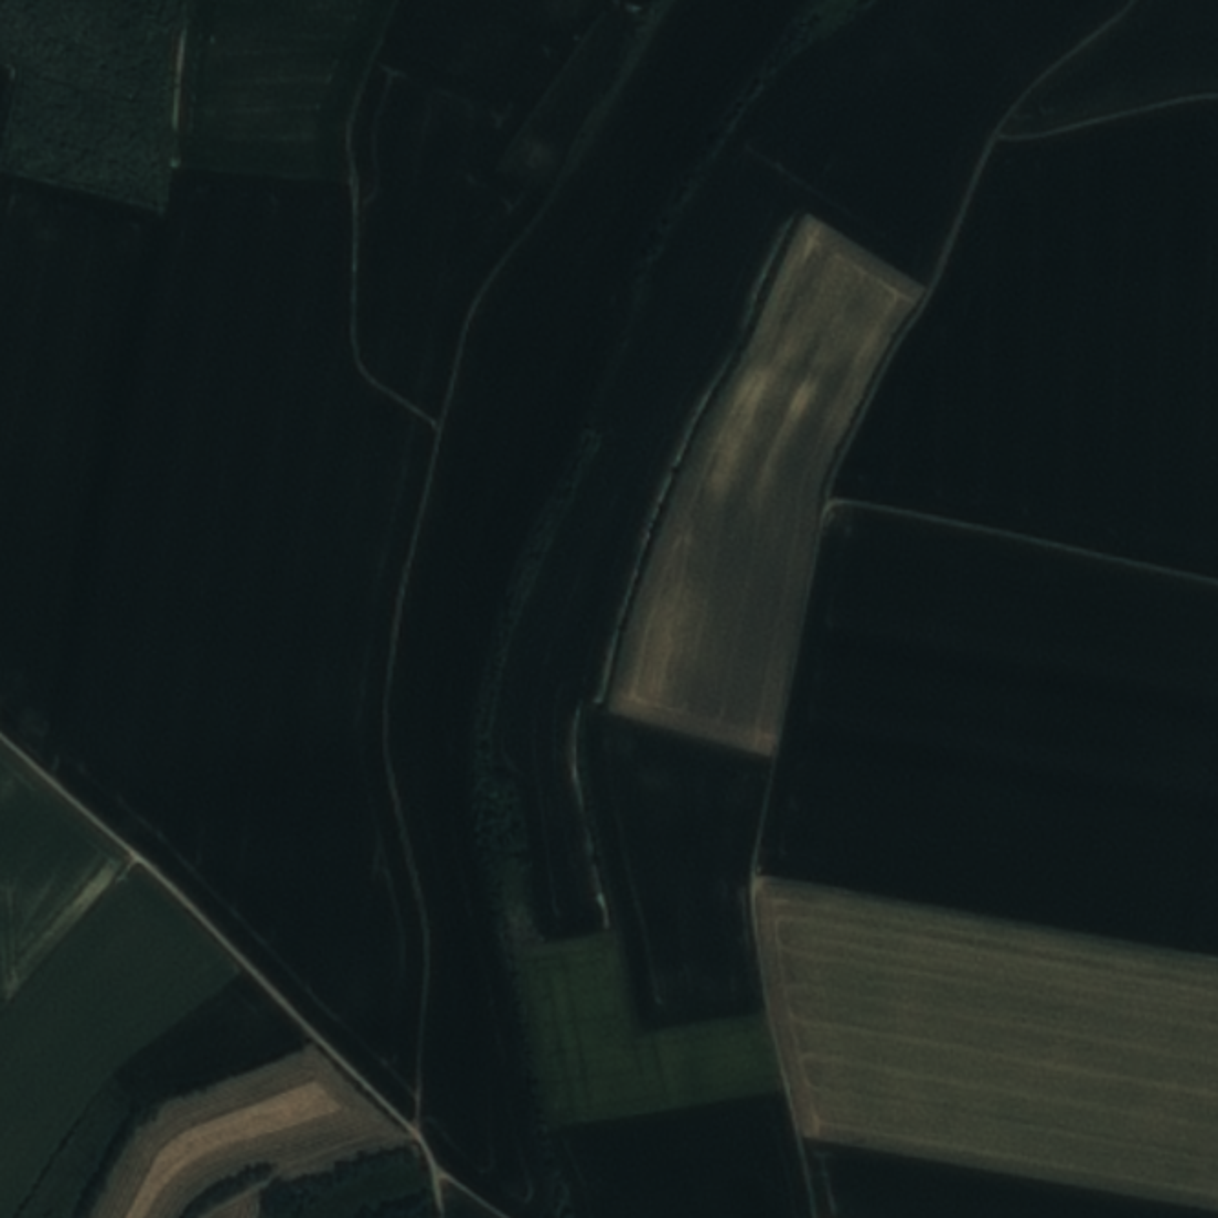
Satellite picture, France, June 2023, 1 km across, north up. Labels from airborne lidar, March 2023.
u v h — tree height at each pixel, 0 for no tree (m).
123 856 0
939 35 0
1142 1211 0
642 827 0
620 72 6
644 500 0
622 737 0
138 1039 0
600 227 0
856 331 0
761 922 0
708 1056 0
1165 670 0
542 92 0
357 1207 0
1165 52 0
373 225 0
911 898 0
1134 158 0
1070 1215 0
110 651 0
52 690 0
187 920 0
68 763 0
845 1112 0
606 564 0
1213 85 0
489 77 0
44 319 0
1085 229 0
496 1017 0
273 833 0
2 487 0
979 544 0
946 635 0
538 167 0
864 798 0
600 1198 0
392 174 0
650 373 0
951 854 0
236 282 0
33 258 0
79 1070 0
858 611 0
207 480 0
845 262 0
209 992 0
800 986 0
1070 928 0
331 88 0
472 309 0
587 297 0
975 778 0
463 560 0
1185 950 0
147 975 0
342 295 0
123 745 0
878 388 0
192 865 0
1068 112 0
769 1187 0
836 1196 0
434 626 0
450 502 0
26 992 0
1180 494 0
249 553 0
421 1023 0
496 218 0
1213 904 0
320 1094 0
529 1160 0
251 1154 0
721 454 0
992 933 0
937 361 0
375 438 0
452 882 0
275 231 0
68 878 0
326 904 0
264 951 0
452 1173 0
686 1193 0
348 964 0
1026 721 0
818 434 0
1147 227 0
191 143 0
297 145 0
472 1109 0
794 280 0
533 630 0
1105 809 0
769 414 0
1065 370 0
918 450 0
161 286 0
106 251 0
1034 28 0
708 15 0
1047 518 0
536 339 0
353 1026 0
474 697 0
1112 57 0
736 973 0
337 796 0
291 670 0
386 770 0
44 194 0
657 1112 0
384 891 0
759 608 0
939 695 0
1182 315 0
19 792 0
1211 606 0
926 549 0
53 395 0
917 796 0
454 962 0
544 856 0
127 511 0
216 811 0
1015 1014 0
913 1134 0
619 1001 0
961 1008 0
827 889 0
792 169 0
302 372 0
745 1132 0
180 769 0
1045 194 0
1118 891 0
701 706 0
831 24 0
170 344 0
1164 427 0
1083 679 0
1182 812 0
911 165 0
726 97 0
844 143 0
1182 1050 0
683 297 0
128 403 0
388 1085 0
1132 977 0
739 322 0
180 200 0
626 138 0
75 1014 0
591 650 0
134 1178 0
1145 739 0
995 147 0
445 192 0
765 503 0
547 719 0
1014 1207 0
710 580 0
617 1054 0
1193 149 0
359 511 0
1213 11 0
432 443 0
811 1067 0
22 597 0
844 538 0
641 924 0
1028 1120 0
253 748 0
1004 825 0
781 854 0
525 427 0
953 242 0
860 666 0
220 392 0
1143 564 0
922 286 0
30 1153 0
